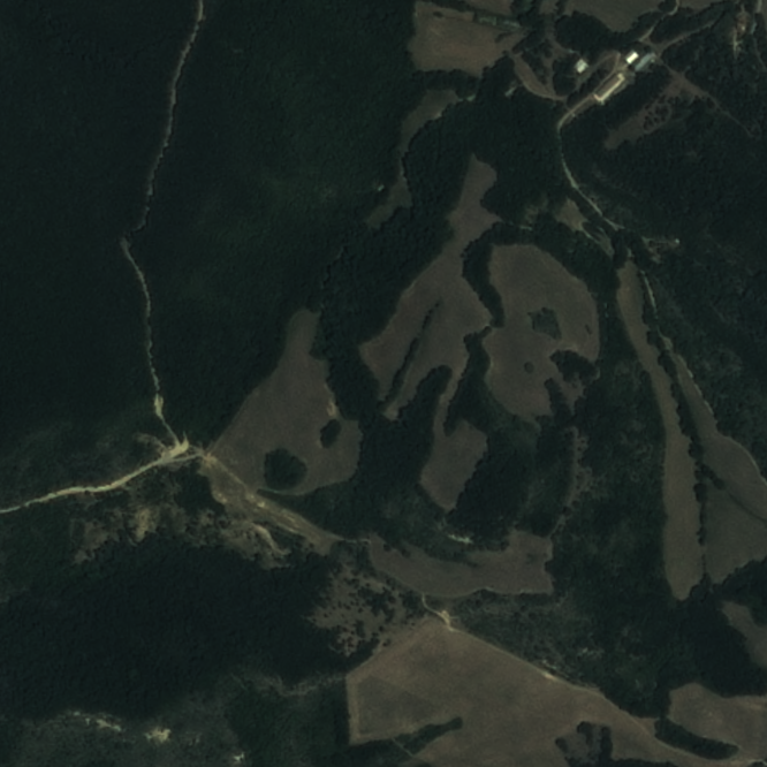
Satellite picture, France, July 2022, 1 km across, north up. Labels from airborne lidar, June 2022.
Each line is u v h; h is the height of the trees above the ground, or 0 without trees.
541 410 0
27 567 7
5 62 6
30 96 10
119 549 10
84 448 9
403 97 18
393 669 0
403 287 11
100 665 13
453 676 0
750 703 0
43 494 5
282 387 0
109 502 7
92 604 9
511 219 9
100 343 8
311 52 14
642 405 10
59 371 11
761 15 6
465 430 0
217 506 10
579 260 9
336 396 8
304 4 13
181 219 9
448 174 16
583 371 8
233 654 8
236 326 15
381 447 12
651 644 7
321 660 9
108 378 8
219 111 8
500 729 0
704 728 0
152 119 12
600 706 0
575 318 0
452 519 7
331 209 8
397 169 12
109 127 9
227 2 11
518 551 0
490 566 0
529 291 0
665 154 11
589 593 10
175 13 6
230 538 0
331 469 0
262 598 6
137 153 11
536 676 0
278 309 13
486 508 11
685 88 0
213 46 7
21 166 8
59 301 11
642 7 0
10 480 9
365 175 10
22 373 11
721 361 9
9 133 9
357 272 15
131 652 13
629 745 0
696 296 8
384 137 17
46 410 7
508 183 15
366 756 11
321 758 7
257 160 10
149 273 9
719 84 6
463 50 0
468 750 0
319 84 13
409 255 14
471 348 14
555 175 9
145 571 8
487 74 14
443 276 0
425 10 0
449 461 0
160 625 8
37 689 14
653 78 9
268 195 9
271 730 8
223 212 9
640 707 9
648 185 9
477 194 0
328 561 8
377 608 7
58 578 13
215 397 15
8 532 6
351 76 12
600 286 9
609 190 8
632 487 11
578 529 9
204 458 0
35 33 12
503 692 0
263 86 10
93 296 9
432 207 15
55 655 13
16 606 13
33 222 12
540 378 0
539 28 12
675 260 10
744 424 8
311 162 5
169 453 0
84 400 8
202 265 11
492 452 10
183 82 9
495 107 17
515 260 0
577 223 0
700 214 10
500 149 12
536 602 6
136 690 7
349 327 13
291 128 9
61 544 6
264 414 0
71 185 10
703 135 10
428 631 0
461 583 0
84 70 12
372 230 8
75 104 10
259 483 0
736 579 9
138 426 9
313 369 0
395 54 17
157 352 12
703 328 6
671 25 9
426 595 0
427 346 0
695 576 0
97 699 9
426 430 9
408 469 15
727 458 0
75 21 6
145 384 11
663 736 7
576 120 8
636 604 10
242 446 0
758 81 8
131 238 13
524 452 7
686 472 0
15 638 10
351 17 13
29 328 14
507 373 0
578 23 10
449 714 0
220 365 8
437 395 10
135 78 11
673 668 7
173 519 0
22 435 8
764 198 6
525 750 0
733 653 12
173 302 12
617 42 11
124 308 8
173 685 8
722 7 10
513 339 0
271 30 14
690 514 0
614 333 12
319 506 6
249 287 9
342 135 9
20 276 12
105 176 10
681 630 8
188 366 17
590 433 8
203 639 7
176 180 10
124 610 12
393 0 14
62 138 10
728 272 11
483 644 0
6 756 7
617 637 6
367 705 0
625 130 0
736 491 0
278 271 15
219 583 7
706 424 0
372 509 9
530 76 0
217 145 8
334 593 0
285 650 9
